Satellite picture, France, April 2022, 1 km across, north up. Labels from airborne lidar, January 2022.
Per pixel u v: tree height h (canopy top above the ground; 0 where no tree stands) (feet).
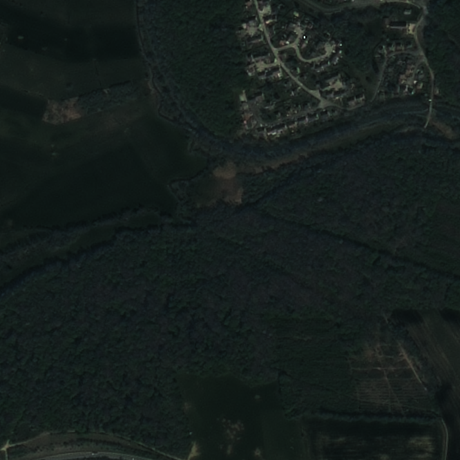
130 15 0
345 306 71
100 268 85
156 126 0
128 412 82
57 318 96
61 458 0
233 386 0
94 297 90
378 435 0
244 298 90
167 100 20
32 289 71
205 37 57
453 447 0
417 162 62
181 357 88
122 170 0
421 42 0
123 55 0
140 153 0
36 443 0
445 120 52
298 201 94
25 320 84
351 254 85
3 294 55
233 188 0
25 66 0
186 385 0
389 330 81
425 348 0
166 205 0
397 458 0
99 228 0
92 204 0
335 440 0
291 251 90
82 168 0
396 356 78
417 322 0
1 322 69
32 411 67
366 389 0
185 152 0
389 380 0
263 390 0
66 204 0
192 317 73
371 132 0
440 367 0
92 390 99
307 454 0
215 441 0
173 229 64
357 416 52
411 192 66
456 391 0
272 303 83
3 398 93
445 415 0
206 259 83
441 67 69
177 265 74
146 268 70
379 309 83
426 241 53
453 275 66
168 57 58
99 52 0
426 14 0
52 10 0
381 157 81
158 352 86
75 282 94
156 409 88
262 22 0
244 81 64
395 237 92
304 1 0
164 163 0
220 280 86
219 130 69
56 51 0
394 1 0
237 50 76
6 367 97
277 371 92
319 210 70
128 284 79
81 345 94
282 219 73
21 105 0
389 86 45
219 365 69
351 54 56
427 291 86
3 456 38
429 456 0
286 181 48
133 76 0
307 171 59
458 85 86
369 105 47
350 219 92
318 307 68
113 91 22
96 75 0
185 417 59
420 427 0
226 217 81
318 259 92
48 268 56
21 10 0
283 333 26
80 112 0
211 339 83
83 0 0
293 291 101
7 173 0
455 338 0
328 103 0
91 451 0
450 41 61
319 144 54
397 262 83
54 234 66
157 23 59
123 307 79
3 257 63
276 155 39
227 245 79
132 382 104
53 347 77
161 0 80
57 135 0
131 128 0
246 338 89
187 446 77
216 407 0
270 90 21
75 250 0
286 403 47
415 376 0
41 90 0
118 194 0
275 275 91
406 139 67
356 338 81
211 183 0
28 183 0
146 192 0
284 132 0
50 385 78
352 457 0
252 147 0
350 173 82
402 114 24
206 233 78
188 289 85
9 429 69
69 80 0
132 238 58
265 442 0
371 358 0
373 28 0
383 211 89
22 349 68
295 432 0
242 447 0
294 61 47
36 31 0
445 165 67
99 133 0
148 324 95
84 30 0
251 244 71
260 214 86
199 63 59
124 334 77
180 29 64
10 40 0
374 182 94
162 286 70
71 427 42
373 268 88
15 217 0
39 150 0
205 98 67
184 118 79
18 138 0
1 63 0
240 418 0
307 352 31
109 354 78
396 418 29
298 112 0
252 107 0
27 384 76
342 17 66
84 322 90
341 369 21
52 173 0
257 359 87
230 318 68
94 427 74
